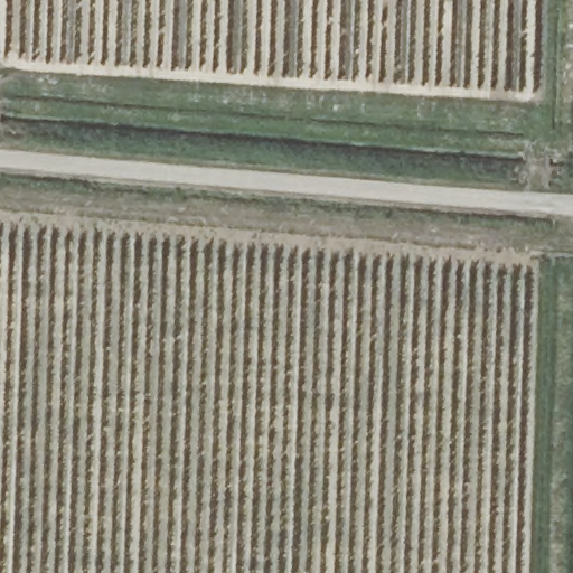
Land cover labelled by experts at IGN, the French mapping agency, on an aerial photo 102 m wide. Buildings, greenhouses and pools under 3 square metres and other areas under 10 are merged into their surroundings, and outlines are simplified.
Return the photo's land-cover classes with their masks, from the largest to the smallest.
<instances>
[{"label":"vineyard","instance_id":"1","mask_svg":"<svg viewBox=\"0 0 573 573\"><path fill-rule=\"evenodd\" d=\"M11 67L27 69V74L20 81L2 87L0 92V96L9 101H36L54 105L143 110L161 114H204L325 128L396 130L479 139H544L551 145H555L560 139L573 132V0H0V76H7ZM0 573H573V257L551 260L544 257L535 246H524V251L506 248L501 253H495L483 248H428L374 239H320L287 233L107 222L78 217L76 208L69 206H54V215L0 210Z\"/></svg>","mask_w":573,"mask_h":573},{"label":"deciduous trees","instance_id":"2","mask_svg":"<svg viewBox=\"0 0 573 573\"><path fill-rule=\"evenodd\" d=\"M0 150L96 157L116 161H152L224 170H255L280 175L401 181L445 188L573 195V132L560 139L555 145H551L544 139H479L396 130L325 128L204 114H161L143 110L54 105L36 101H9L0 96ZM0 188L40 192L58 190L67 195H87L98 199L137 195L141 201L184 204L188 201V190L181 186H125L112 181H94L85 177H56L0 170ZM219 204L262 208L275 213L311 210L313 215H349L354 219H389L410 224L454 222L477 226L486 210L457 206L434 208L376 199L322 201L295 192L253 190L244 197L226 192Z\"/></svg>","mask_w":573,"mask_h":573},{"label":"herbaceous vegetation","instance_id":"3","mask_svg":"<svg viewBox=\"0 0 573 573\"><path fill-rule=\"evenodd\" d=\"M27 74V69L11 67L7 76H0V92L2 87L20 81ZM181 186L188 190V201L184 204L141 201L137 195L98 199L87 195H67L58 190L40 192L0 188V210L54 215V206H69L76 208L78 217L107 222L287 233L320 239H374L428 248H483L495 253H501L506 248L524 251V246H535L544 257L551 260L573 257V215L533 217L508 210H486L477 226L454 222L410 224L389 219H354L349 215H313L311 210L275 213L262 208L219 204L226 192L244 197L253 190L228 186Z\"/></svg>","mask_w":573,"mask_h":573},{"label":"impervious surface","instance_id":"4","mask_svg":"<svg viewBox=\"0 0 573 573\"><path fill-rule=\"evenodd\" d=\"M0 170L56 177H85L94 181H112L125 186H228L253 190L295 192L322 201L376 199L434 208L457 206L486 210H508L533 217L573 215V195L445 188L401 181L280 175L255 170H224L152 161H116L96 157L0 150Z\"/></svg>","mask_w":573,"mask_h":573}]
</instances>
